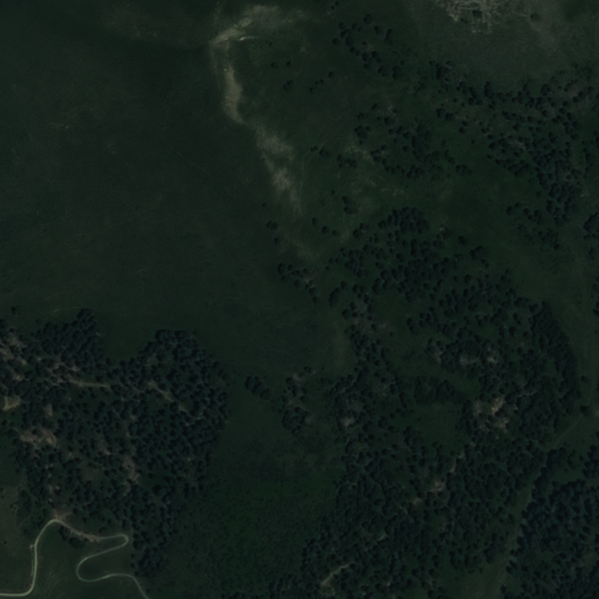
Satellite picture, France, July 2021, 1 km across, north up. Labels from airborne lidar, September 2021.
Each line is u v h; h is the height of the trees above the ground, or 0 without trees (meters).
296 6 0
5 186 0
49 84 0
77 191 0
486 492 21
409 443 28
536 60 0
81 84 0
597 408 0
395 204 0
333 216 0
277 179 0
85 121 0
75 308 0
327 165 0
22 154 0
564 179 13
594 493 22
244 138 0
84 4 0
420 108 0
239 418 0
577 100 23
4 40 0
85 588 0
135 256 0
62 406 27
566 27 0
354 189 0
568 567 20
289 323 0
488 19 0
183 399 30
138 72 0
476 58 0
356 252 14
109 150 0
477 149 0
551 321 20
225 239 0
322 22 0
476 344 26
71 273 0
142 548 29
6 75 0
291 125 0
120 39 0
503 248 0
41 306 0
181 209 0
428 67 0
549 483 29
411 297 23
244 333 0
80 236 0
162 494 32
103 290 0
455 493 26
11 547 0
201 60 0
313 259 0
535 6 0
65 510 0
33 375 25
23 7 0
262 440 0
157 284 0
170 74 0
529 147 26
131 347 0
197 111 0
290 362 0
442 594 8
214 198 0
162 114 0
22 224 0
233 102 0
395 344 0
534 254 0
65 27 0
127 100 0
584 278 0
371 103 0
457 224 0
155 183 0
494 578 0
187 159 0
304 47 0
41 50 0
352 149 0
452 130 0
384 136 0
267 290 0
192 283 0
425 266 26
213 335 0
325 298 0
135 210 0
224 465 0
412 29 0
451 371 7
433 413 0
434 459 8
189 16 0
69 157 0
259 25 0
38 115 0
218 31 0
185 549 0
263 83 0
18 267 0
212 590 0
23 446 25
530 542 21
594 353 0
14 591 0
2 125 0
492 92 21
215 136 0
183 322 0
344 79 0
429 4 0
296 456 0
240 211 0
